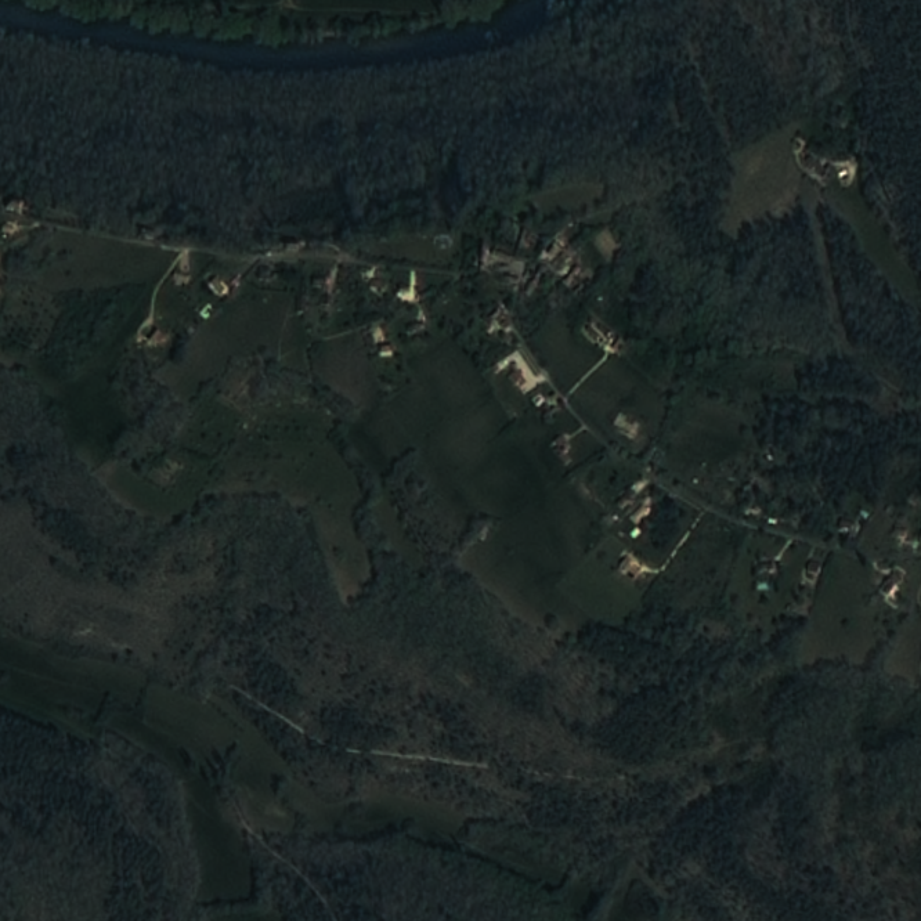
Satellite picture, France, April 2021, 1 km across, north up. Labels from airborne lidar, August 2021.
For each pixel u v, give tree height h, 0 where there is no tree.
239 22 21
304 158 19
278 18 13
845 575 0
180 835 20
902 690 17
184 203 15
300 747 10
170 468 7
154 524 12
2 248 0
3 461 12
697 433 0
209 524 17
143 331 0
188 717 0
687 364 9
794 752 21
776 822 11
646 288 20
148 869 25
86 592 0
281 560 18
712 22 11
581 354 0
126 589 7
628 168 9
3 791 14
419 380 0
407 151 20
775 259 21
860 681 21
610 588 0
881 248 0
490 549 0
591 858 10
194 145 18
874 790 19
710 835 13
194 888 21
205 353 0
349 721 12
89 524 13
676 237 20
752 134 13
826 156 14
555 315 12
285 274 10
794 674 18
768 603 12
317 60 0
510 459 0
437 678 17
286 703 11
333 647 8
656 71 11
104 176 23
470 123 15
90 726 9
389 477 12
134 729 0
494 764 9
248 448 0
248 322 0
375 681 8
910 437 8
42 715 0
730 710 20
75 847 12
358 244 17
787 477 15
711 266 18
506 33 7
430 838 0
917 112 6
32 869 18
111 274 0
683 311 18
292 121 11
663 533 18
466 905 22
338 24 12
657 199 14
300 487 0
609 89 10
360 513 13
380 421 0
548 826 19
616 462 9
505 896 23
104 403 0
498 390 0
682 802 20
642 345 16
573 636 9
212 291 6
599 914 22
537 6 0
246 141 16
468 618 19
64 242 0
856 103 10
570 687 14
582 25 23
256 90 11
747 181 0
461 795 11
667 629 10
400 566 17
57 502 15
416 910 19
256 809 0
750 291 21
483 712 17
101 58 23
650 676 10
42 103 16
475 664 22
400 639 19
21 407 23
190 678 8
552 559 0
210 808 0
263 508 24
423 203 15
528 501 0
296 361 0
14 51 18
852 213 0
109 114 17
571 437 0
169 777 19
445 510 0
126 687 0
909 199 18
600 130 14
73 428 0
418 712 10
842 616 0
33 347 13
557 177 21
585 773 11
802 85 10
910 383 17
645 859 12
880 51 10
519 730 14
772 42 15
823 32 10
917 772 20
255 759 0
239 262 0
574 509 0
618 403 0
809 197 0
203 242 16
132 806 15
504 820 10
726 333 13
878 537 0
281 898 19
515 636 15
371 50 0
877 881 13
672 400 12
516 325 10
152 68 17
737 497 7
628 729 19
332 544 0
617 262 11
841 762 24
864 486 15
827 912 12
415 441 0
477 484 0
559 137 17
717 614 6
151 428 22
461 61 23
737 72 14
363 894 19
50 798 16
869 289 19
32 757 23
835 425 17
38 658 0
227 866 0
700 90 16
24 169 16
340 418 14
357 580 0
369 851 18
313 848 17
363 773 12
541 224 12
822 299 16
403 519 12
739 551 9
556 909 25
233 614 17
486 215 18
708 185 20
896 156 19
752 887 14
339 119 16
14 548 0
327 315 8
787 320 21
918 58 8
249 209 13
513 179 23
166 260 0
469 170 25
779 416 6
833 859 22
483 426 0
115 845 13
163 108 18
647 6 16
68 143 20
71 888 16
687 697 12
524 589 0
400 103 15
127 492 0
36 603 0
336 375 0
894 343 19
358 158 20
